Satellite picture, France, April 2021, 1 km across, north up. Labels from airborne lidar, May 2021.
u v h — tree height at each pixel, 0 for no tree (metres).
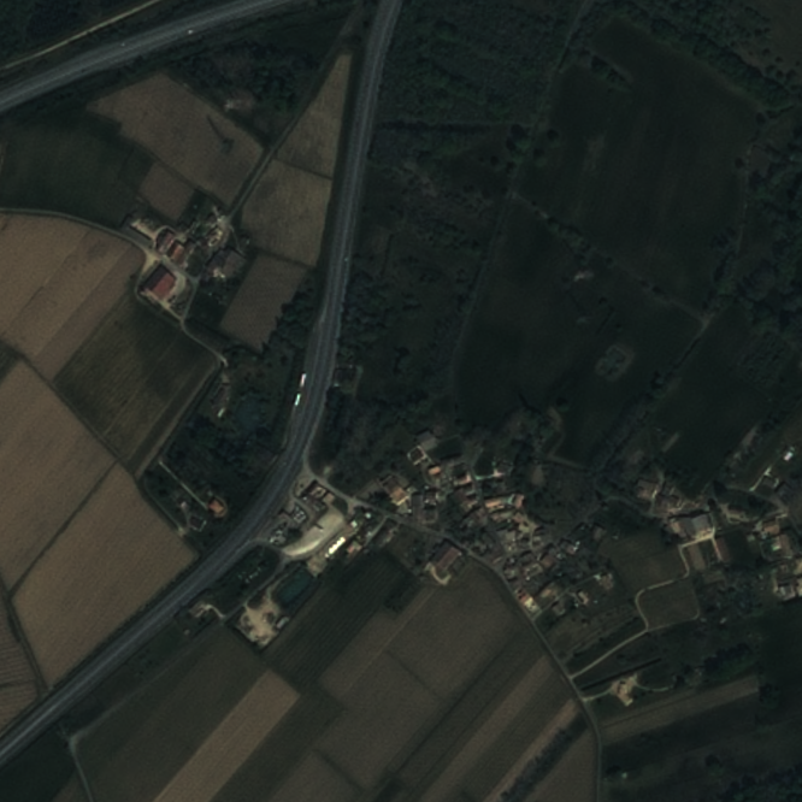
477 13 10
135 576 0
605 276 0
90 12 12
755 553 0
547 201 0
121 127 0
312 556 0
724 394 0
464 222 0
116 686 0
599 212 0
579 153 0
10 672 0
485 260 7
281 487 0
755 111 0
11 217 0
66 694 0
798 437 0
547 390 0
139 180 0
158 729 0
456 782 0
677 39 17
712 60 13
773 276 24
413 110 8
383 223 0
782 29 0
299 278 0
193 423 6
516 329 0
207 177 0
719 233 0
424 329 0
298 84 23
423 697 0
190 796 0
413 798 0
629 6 17
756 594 6
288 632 0
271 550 0
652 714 0
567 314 0
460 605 0
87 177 0
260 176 0
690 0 11
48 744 0
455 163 0
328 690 0
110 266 0
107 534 0
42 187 0
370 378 0
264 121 0
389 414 17
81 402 0
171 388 0
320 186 0
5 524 0
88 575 0
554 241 0
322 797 0
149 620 0
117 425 0
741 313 0
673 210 0
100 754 0
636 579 0
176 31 0
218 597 0
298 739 0
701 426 0
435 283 7
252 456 15
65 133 0
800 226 22
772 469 0
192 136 0
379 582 0
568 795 0
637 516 8
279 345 13
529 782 11
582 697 0
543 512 7
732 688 0
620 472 18
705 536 0
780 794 20
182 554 0
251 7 0
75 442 0
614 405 0
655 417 0
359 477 20
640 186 0
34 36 10
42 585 0
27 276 0
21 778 0
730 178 0
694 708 0
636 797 0
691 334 0
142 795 0
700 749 0
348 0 14
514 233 0
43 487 0
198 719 0
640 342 0
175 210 0
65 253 0
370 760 0
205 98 0
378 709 0
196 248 8
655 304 0
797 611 0
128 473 0
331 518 0
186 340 0
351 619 0
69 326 0
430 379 18
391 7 0
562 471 9
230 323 0
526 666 0
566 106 0
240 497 0
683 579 8
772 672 0
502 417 0
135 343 0
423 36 12
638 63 0
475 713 0
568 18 6
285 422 11
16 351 0
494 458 0
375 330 23
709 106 0
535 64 15
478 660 0
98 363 0
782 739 0
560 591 0
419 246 0
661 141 0
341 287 0
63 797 0
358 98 0
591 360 0
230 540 0
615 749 0
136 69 7
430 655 0
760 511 16
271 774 0
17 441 0
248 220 0
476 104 13
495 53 20
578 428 0
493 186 0
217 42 15
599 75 14
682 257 0
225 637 0
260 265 0
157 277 0
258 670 0
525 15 6
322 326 0
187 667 0
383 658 0
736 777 0
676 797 0
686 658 0
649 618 0
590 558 6
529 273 0
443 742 0
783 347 6
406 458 6
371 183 0
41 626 0
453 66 12
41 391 0
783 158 11
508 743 0
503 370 0
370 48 0
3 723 0
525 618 0
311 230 0
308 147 0
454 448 0
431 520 0
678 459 0
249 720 0
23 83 0
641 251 0
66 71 0
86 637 0
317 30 0
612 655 0
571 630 0
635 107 0
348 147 0
